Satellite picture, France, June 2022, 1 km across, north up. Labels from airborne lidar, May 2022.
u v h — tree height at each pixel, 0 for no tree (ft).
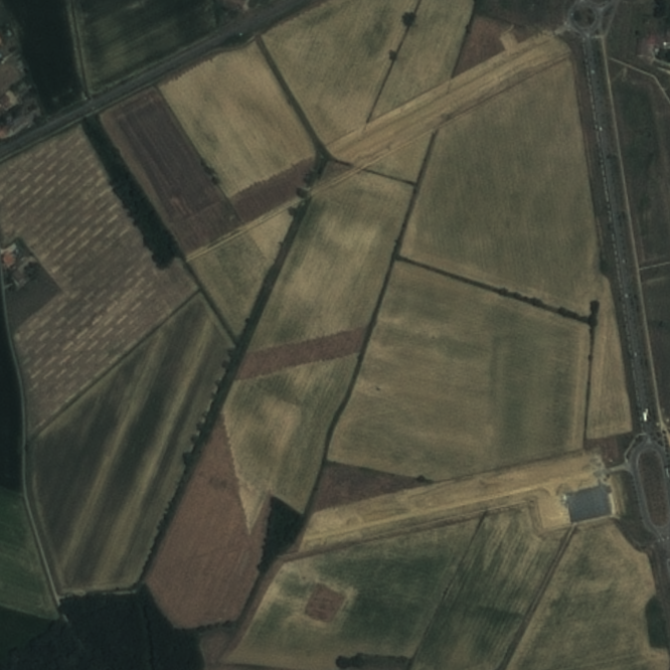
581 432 0
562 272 0
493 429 0
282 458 0
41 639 48
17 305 0
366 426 0
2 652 0
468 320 0
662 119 0
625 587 0
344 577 0
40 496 0
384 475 0
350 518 0
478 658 0
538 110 0
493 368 0
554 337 0
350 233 0
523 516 0
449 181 0
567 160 0
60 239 0
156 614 46
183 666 63
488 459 0
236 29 0
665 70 0
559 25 0
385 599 0
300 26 0
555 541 0
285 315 0
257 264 0
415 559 0
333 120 0
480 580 0
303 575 0
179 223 0
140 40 0
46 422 0
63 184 0
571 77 0
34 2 0
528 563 0
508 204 0
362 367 0
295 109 0
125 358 0
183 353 0
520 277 0
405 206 0
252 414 0
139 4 0
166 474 0
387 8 0
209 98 0
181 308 0
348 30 0
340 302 0
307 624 0
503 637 0
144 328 0
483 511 0
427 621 0
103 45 0
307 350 0
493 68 0
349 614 0
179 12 0
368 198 0
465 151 0
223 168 0
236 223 0
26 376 0
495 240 0
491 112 0
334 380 0
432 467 0
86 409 0
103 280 0
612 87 0
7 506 0
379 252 0
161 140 0
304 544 0
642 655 0
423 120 0
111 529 0
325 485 0
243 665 0
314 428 0
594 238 0
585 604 0
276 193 0
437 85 0
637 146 0
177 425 0
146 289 0
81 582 0
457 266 0
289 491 0
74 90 0
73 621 61
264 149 0
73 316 0
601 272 0
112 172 21
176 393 0
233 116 0
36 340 0
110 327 0
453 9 0
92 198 0
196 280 0
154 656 58
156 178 0
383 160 0
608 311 0
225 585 0
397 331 0
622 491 0
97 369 0
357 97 0
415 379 0
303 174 0
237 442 0
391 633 0
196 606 0
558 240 0
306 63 0
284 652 0
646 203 0
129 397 0
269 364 0
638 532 0
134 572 0
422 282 0
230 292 0
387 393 0
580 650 0
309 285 0
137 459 0
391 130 0
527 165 0
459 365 0
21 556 0
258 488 0
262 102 0
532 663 0
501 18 0
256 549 0
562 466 0
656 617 0
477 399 0
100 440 0
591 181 0
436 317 0
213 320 0
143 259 0
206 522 0
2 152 0
